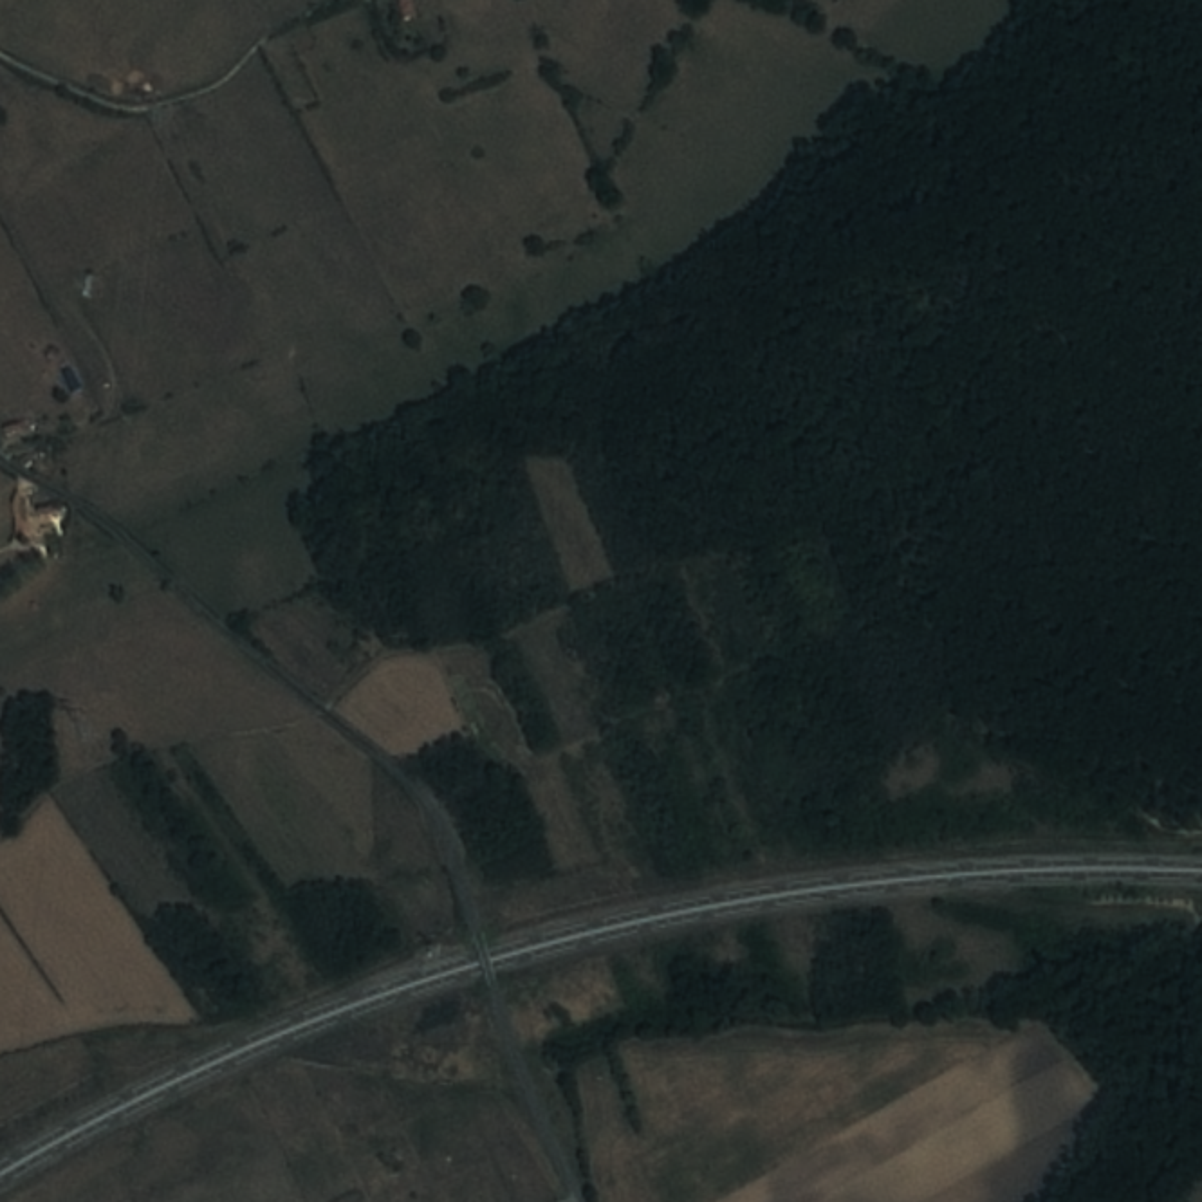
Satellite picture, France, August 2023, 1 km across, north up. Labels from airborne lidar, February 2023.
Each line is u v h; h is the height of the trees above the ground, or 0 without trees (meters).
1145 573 18
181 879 0
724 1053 0
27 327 0
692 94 0
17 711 13
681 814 7
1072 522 20
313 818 0
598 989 0
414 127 0
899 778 0
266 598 0
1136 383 19
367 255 0
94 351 0
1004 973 0
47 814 0
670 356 21
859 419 18
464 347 0
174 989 0
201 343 0
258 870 0
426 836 0
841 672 7
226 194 0
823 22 16
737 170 0
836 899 0
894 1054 0
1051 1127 0
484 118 0
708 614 0
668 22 0
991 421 21
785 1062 0
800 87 0
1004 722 18
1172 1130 23
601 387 24
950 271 17
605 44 0
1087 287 17
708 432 19
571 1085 15
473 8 0
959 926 0
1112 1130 26
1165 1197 17
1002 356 17
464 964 0
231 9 0
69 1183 0
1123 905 0
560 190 0
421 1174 0
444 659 0
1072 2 22
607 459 14
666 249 0
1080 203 18
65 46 0
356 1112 0
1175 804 22
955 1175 0
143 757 9
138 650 0
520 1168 0
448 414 15
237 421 0
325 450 10
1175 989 21
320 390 0
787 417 16
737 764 0
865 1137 0
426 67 0
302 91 0
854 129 19
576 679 0
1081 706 22
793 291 22
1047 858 0
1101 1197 22
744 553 10
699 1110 0
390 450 23
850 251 24
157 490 0
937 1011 16
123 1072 0
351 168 0
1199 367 20
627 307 19
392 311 0
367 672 0
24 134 0
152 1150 0
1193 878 0
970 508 19
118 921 0
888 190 21
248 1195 0
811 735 8
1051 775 18
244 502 0
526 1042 0
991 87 26
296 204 0
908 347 12
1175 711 21
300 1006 0
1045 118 22
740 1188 0
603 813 0
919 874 0
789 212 27
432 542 18
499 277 0
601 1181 0
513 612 11
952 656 16
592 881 0
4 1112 0
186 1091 0
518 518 7
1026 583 22
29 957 0
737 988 20
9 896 0
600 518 11
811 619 8
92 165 0
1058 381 17
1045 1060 0
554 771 0
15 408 0
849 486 18
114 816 0
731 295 17
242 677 0
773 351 16
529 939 0
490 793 14
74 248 0
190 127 0
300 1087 0
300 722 0
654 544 12
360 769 0
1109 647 19
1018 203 18
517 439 20
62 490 0
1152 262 19
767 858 0
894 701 11
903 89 18
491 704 0
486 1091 0
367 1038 0
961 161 21
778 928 0
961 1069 0
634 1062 0
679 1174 0
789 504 21
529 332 0
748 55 0
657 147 0
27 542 7
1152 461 20
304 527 19
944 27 0
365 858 0
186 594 0
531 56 0
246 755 0
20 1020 0
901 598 14
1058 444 20
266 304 0
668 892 0
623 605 7
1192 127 17
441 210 0
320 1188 0
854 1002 15
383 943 13
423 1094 0
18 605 0
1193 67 24
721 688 0
